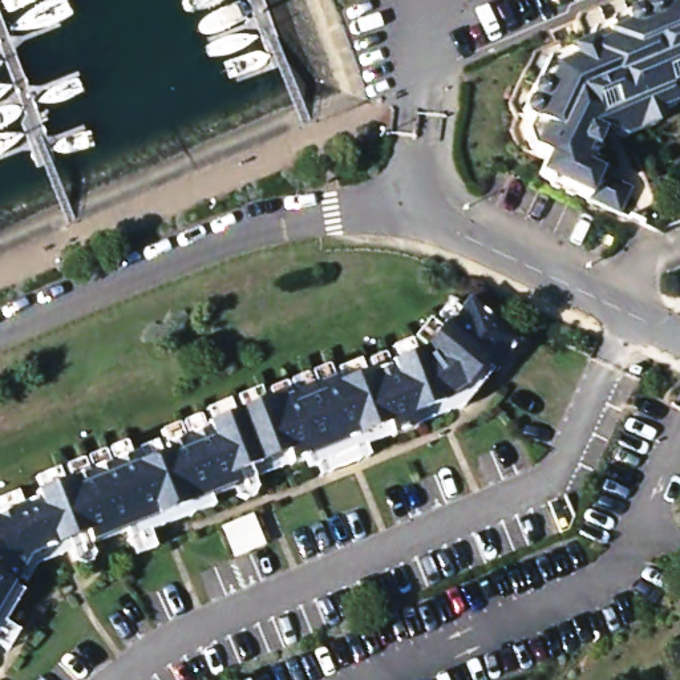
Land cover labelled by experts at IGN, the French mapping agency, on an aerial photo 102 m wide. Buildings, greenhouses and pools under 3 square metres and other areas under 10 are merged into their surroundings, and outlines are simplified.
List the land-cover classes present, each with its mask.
<instances>
[{"label":"impervious surface","instance_id":"1","mask_svg":"<svg viewBox=\"0 0 680 680\"><path fill-rule=\"evenodd\" d=\"M279 35V45L303 90V112L292 109L287 90H282L260 104L239 109L231 117H213L173 138L151 141L141 151H125L109 159L101 170L82 175V189L88 191V197L72 202L66 210L56 207L50 186L40 197H29L27 202H16L0 210V290L8 284H21L43 271L58 268L69 244H85L93 234L106 228H114L120 234V255L125 258L104 279H88L80 284L64 282L61 287L50 284L37 292L35 303H5L0 321V348L35 337L56 324L112 305L122 298L151 290L175 276L191 274L223 258H234L266 244H284L292 239L329 234L351 244H383L436 255L457 260L468 274L489 279L513 287V300L534 305L539 313H553L563 319L579 324L582 329L603 335V345L598 356H592L584 364L576 388L563 409V417L555 428L547 425L539 414L545 406L542 396L518 388L515 380L499 388L497 393L502 398V412L510 417V422H515L521 438L515 444H497V452L481 454V460L470 465L475 473V483L470 486L465 483L460 468L452 473L441 468L430 478L417 475V483L390 486L388 497L396 502L398 521H393V526H385L377 531L372 526L367 507L359 513H348L345 518L343 513L332 510V502L324 505V521L303 526V539L298 542V553L303 555L300 563H282L279 571L271 568L268 558H258L255 553L266 545L263 529L255 515L236 518L223 531L234 550L231 560H218L215 568L191 576L197 587L194 600L181 582L175 587L157 590L154 598L157 622H141L138 632L133 635L125 643V648L114 656H109L101 643L88 640L80 643V651L74 656H61L58 669L66 680H526L523 675L531 669L534 661L558 659H579L582 645H587L590 640H600L603 635L619 632V627H630L635 619V600H645L653 611L664 606V592L659 590L661 582L659 574L651 571V560L680 550V218L669 223V231H661L645 220V207L653 202V191L651 175L640 173L638 181L643 191L630 213L619 207V202L614 205L600 199L592 183H582L563 173H555L553 146L539 141L534 133L539 112L537 93L545 90L537 82V72L547 69L555 56L568 58L579 53V43H595L598 29L614 32L624 16H648L653 11H661L664 0H266ZM537 32H547V45L542 50H534L523 64L515 85L505 90L507 109L513 117V141L526 138L531 154L542 159V178L550 181L555 189H566L568 194L582 197L584 202L576 210H568L555 199L523 186L515 173H502L489 197H473L468 191L454 165V128L460 114L462 82L465 64H473ZM369 122H377L380 135L398 138L388 167L369 170V181L356 186H327L324 199H313V194H290L284 197V205L279 199H263L260 210L266 215H220L213 218L210 226L186 223L183 210L199 202H218L220 197H226L234 189H242L244 183H255L260 178L282 173L295 165L303 149L324 146L337 133L359 135L361 128ZM598 213H608L622 223L638 226L635 239L624 252L603 258L606 247L614 244L611 234H606L592 250L584 247V234ZM643 361H659L675 372V380L664 393V404L635 393ZM587 473L595 475V497L608 502L616 518L622 521L619 542L608 553H603L582 571H571L568 576L553 579L547 584H542V574L537 571L534 560H521L510 563L507 568H497L478 582H468V595L473 598L475 608L462 619H454V614L462 611L460 598L449 603L446 595H438L428 600V608L417 606L420 587H430L433 571L449 576L468 568V563L475 555L481 560H494L507 558L515 547L529 545L531 523H526L523 515L539 513L545 515L550 531H566L576 515L571 491L582 486V478ZM364 576H369L372 584L383 592V608L388 619L380 632L359 638L351 635L348 622L343 616L340 590L359 587ZM483 385L475 383L454 396H446L441 401V409L444 414L457 409H465V404L473 398ZM260 489V481L244 478L242 483H220L210 494L178 502L173 507H162L138 523L122 526L125 539L133 550L143 553L157 547V529L165 523L207 510L215 502H220L226 510L236 507L239 499L258 494ZM58 563L53 560L35 566V574L27 584V595L19 603L13 622H5L0 627V648H13L16 643L21 630L27 635H53L50 622L56 616V603H66L69 598V587H56Z\"/></svg>","mask_w":680,"mask_h":680},{"label":"herbaceous vegetation","instance_id":"2","mask_svg":"<svg viewBox=\"0 0 680 680\"><path fill-rule=\"evenodd\" d=\"M523 64L505 48L473 64H465L462 82H473L478 88L470 128V141L475 143V149L470 151V157H507L505 146L513 141V117L507 109L505 90L515 85ZM640 141H653L656 151H669L672 157H680V114H661L659 122L635 133ZM436 255L383 244H351L329 234L292 239L284 244H266L234 258H223L191 274L175 276L151 290L122 298L112 305L56 324L35 337L0 348V372L11 369L16 361H27L35 364L43 380L48 383L43 388H32L24 401L0 404V494L19 489L24 494H35L37 475L43 470L69 462L77 454L96 452L98 446H112L117 441L130 438L135 446L151 441L162 433L165 425L175 420L167 414L173 401L170 388H181L189 380L183 377V367L178 361L175 348H210L213 369L218 375H226L228 367H236L242 361V348H255L260 353L263 383L287 380L298 372L319 367L321 361L340 364L359 356H372L414 335L420 321L430 316L425 305L433 290L430 260ZM316 263H340L337 282L298 292L276 287L279 276ZM191 300H199L205 308H210L202 335L194 329H183V311L186 305H191ZM513 287L489 279L481 284V292L475 295L478 305H491L494 313H502V305L513 300ZM563 319L553 313H539L529 332H518L515 361H510L502 372H494L483 385L473 398H486L489 409L460 428V444L470 465L481 460V454L497 452V444H515L521 438L515 422H510V417L502 412V398L497 393L499 388L515 380L518 388L542 396L545 406L539 414L547 425L555 428L563 417V409L576 388L584 364L592 356L582 345H568L566 353H550L542 348L550 337V327ZM441 468L452 473L460 468L449 449V441H433L412 454L388 460L383 465H372L367 468L364 473L385 526H393V521H398L396 502L388 497L390 486L417 483V475L430 478ZM287 486V473L282 468L263 475L260 481V489L276 491ZM332 502V510L343 513L345 518L348 513H359L367 507L356 478H340L329 481L311 494L268 502L255 515L263 529L266 545L255 553L258 558H268L271 568L279 571L282 563H300L303 555L298 553V542L303 539V526L324 521V505ZM178 550L183 553L191 576L215 568L218 560H231L234 550L223 531L218 526L186 529ZM143 553L149 555L143 590L154 598L157 590L175 587L181 582L173 563V547L157 539V547ZM659 590L664 592V606L669 608V614L667 619H656V638L648 635L651 622L635 619L630 627H619V632L603 635L600 640H590L587 645H582L579 659H558V675L563 680H619L632 669L651 667H661L669 680H680V595L661 582ZM53 635H27L21 630L16 643L21 645V656L5 680H66L58 669L61 656H74L80 651V643L88 640L101 643L82 614V603H74L69 598L66 603H56V616L50 622Z\"/></svg>","mask_w":680,"mask_h":680},{"label":"building","instance_id":"3","mask_svg":"<svg viewBox=\"0 0 680 680\"><path fill-rule=\"evenodd\" d=\"M537 82L545 90L537 93L539 112L534 133L539 141L553 146L555 173H563L582 183H592L600 199L614 205L619 202V207L630 213L643 191L638 181L640 173L645 159L656 151L653 141H640L635 133L659 122L661 114H680V0H664L661 11H653L648 16H624L614 32L598 29L595 43H579V53L568 58L555 56L547 69L537 72ZM518 332L505 321L502 313H494L491 305H478L475 295H465L462 300L449 298L444 308L430 316L420 321L414 335L372 356H359L340 364L321 361L319 367L298 372L287 380L263 383L242 393H234L231 398L210 404V409L202 414L175 420L165 425L162 433L151 441L135 446L130 438L117 441L112 446H98L96 452L77 454L69 462L43 470L37 475L35 494H24L19 489L0 494V627L5 622H13L19 603L27 595V584L35 574V566L53 560L69 555V560H82L88 542L117 537L125 539L122 526L138 523L162 507H173L178 502L210 494L220 483H242L244 478L260 481L263 475L282 468L311 465L319 468V473L329 481L340 478L337 468L343 465L364 462L367 468L372 465V444L377 438L393 436L412 430V420L422 406L441 409V401L446 396H454L475 383L483 385L494 372H502L510 361H515Z\"/></svg>","mask_w":680,"mask_h":680},{"label":"brushwood","instance_id":"4","mask_svg":"<svg viewBox=\"0 0 680 680\"><path fill-rule=\"evenodd\" d=\"M547 45V32H537L505 48L523 64L534 50H542ZM478 88L473 82H462L460 114L454 128V165L468 191L473 197H489L502 173H515L523 186L555 199L568 210H576L584 202L582 197L568 194L566 189H555L550 181L542 178V159L531 154L526 138L513 141L505 146L507 157H470V151L475 149V143L470 141V128ZM398 138L380 135L377 122H369L361 128L359 135L337 133L324 146L303 149L295 165L282 173L260 178L255 183H244L242 189H234L226 197H220L218 202H199L183 210L186 223L210 226L213 218L220 215H266L260 210L263 199H279L284 205V197L290 194H313V199H324L327 186H356L369 181V170L388 167ZM638 226L622 223L608 213H598L584 234V247L592 250L606 234H611L614 244L606 247L603 258L624 252L635 239ZM125 258L120 255V234L114 228H106L93 234L85 244H69L58 268L43 271L21 284H8L0 290V321L5 303H35L37 292L50 284L61 287L64 282L80 284L88 279H104ZM433 290L425 305L430 316L444 308L449 298L462 300L465 295H475L481 292V284L489 279L468 274L457 260L436 255L430 260ZM340 263H316L279 276L276 287L298 292L337 282ZM210 308H205L199 300H191V305H186L183 311V329H194L202 335ZM539 313L534 305L513 300L502 305V313L505 321L518 332H529ZM568 345H582L592 356H598L603 345V335L582 329L579 324L563 319L550 327V337L542 348L550 353H566ZM178 361L183 367V377L189 380L181 388H170L173 401L167 414L175 420L202 414L210 409V404L231 398L234 393H242L263 383L260 353L255 348H242V361L236 367H228L226 375H218L213 369L210 348H175ZM48 383L43 380L35 364L27 361H16L11 369L0 372V404L24 401L32 388H43ZM675 380V372L659 361H643L635 393L664 404V393ZM457 409L444 414L441 409L422 406L412 420V430L393 436L396 444H406L436 428H446L457 422ZM287 473V486L305 483L319 473V468L311 465L282 468ZM595 475L587 473L582 478V486L571 491L576 515L566 531H550L545 515L539 513L523 515L526 523H531L529 545L515 547L507 558L494 560H481L475 555L468 563V568L449 576L433 571L430 587H420L417 606L428 608V600L438 595H446L449 603L460 598L462 611L454 614V619H462L475 608L473 598L468 595V582H478L497 568H507L510 563L521 560H534L537 571L542 574V584H547L553 579L568 576L571 571H582L603 553H608L619 542L622 521L616 518L608 502L595 497ZM53 560L58 563L56 587H69V598L74 603H82L74 576L80 579L88 574H98V582L90 587L93 611L101 622L114 616L133 635L138 632L141 622H157L154 598L143 590L149 555L143 553L133 550L125 539L117 537L88 542L82 560H69V555ZM635 619L651 622L648 635L656 638V619H667L669 614V608L664 606L653 611L645 600H635ZM526 680H563L558 675V659L534 661L531 669L523 675ZM619 680H669L661 667H651L632 669Z\"/></svg>","mask_w":680,"mask_h":680},{"label":"water","instance_id":"5","mask_svg":"<svg viewBox=\"0 0 680 680\"><path fill-rule=\"evenodd\" d=\"M282 90H287L292 109L303 112V90L279 45V35L266 0H0V210L16 202H27L29 197H40L50 186L56 207L66 210L72 202L88 197V191L82 189V175L101 170L109 159L125 151H141L151 141L173 138L213 117H231L239 109L260 104Z\"/></svg>","mask_w":680,"mask_h":680},{"label":"pervious surface","instance_id":"6","mask_svg":"<svg viewBox=\"0 0 680 680\"><path fill-rule=\"evenodd\" d=\"M489 409L486 398H473L465 404V409H457V422L446 428H436L406 444H396L393 436L377 438L372 444V465H383L388 460L412 454L433 441H449V449L460 468L465 483L470 486L475 483V473L470 465L460 444V428ZM367 468L364 462L343 465L337 468L340 478H356L367 507L372 526L377 531L385 526L364 473ZM329 481L319 473L305 483L287 486L276 491L260 489L258 494L239 499L236 507L226 510L220 502H215L207 510L165 523L157 529V539L173 547V563L181 582L194 600L197 587L191 576L183 553L178 550L186 529L218 526L223 531L236 518L255 515L268 502L311 494ZM82 603V614L101 643L109 656H114L125 648V643L133 635L114 616L101 622L93 611L90 587L98 582V574H88L80 579L74 576ZM21 656V645L16 643L13 648H0V680H5Z\"/></svg>","mask_w":680,"mask_h":680},{"label":"deciduous trees","instance_id":"7","mask_svg":"<svg viewBox=\"0 0 680 680\"><path fill-rule=\"evenodd\" d=\"M640 173L651 175L653 191V202L645 207V220L661 231H669V223L680 218V157H672L669 151H656L645 159ZM651 571L659 574L661 582L680 595V550L651 560ZM343 616L348 622L351 635L359 638L380 632L388 619L383 608V592L372 584L369 576H364L359 587L340 590Z\"/></svg>","mask_w":680,"mask_h":680}]
</instances>
